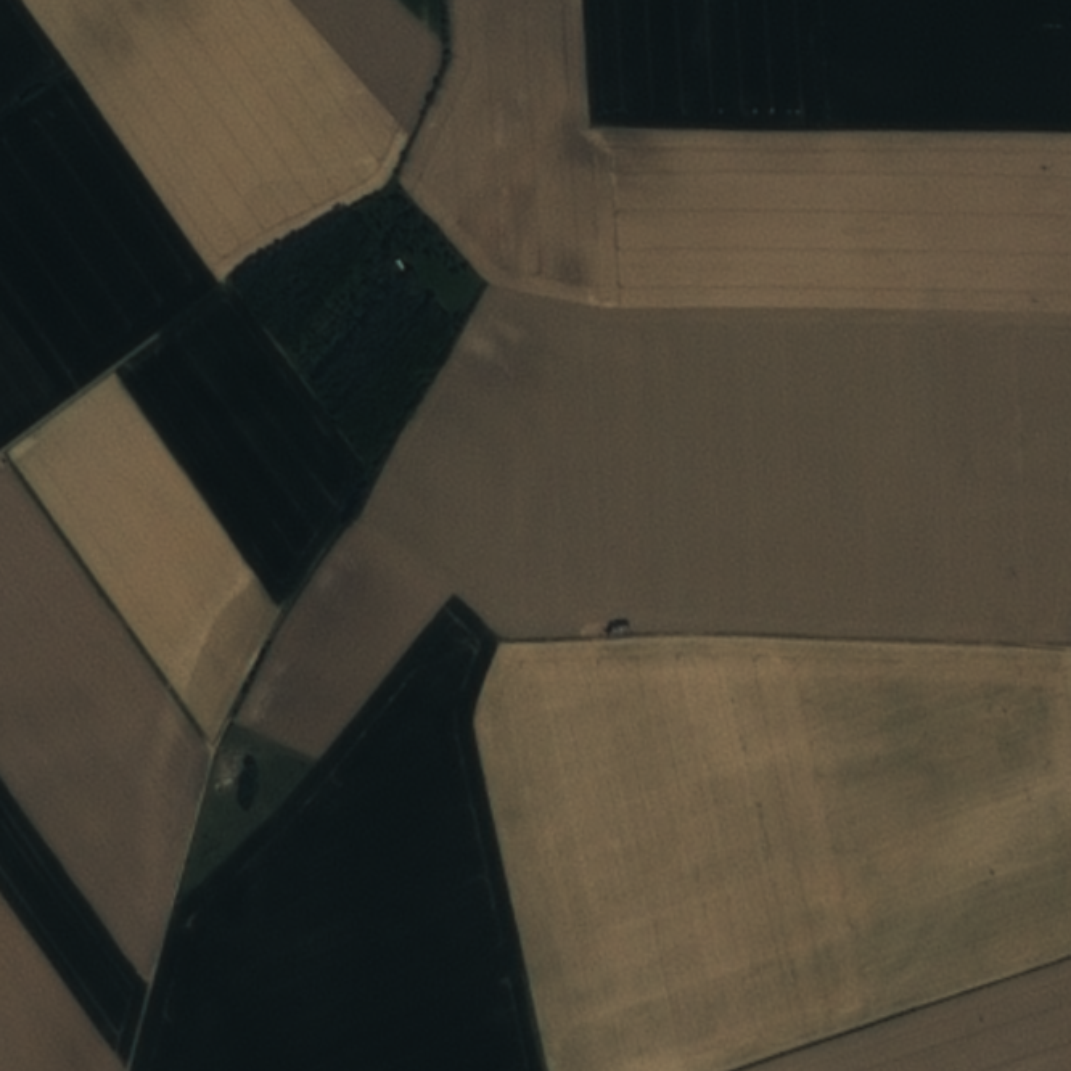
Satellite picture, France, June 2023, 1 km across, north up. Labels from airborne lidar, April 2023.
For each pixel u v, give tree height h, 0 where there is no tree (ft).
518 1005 0
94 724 0
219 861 0
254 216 0
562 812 0
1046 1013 0
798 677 0
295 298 63
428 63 0
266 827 0
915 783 0
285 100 0
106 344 0
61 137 0
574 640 0
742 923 0
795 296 0
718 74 0
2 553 0
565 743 0
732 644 0
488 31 0
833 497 0
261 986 0
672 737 0
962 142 0
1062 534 0
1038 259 0
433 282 0
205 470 0
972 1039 0
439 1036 0
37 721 0
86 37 0
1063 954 0
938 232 0
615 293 0
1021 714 0
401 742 0
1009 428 0
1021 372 0
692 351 0
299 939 0
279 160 0
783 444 0
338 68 0
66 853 0
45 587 0
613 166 0
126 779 0
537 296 0
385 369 60
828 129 0
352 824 0
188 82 0
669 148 0
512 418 0
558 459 0
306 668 0
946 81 0
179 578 0
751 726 0
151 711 0
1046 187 0
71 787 0
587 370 0
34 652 0
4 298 0
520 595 0
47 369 0
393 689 0
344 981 0
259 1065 0
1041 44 0
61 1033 0
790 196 0
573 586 0
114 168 0
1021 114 0
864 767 0
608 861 0
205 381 0
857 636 0
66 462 0
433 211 0
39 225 0
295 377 0
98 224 0
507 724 0
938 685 0
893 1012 0
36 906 0
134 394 0
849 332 0
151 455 0
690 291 0
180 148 0
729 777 0
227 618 0
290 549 0
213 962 0
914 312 0
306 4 0
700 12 0
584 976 0
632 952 0
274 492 0
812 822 0
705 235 0
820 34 0
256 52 0
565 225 0
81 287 0
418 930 0
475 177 0
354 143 0
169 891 0
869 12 0
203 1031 0
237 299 0
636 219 0
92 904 0
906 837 0
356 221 50
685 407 0
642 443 0
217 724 0
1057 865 0
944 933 0
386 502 0
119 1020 0
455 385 0
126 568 0
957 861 0
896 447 0
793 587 0
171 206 0
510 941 0
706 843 0
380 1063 0
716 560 0
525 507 0
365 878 0
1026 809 0
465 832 0
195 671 0
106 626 0
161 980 0
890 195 0
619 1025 0
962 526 0
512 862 0
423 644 0
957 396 0
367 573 0
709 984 0
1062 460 0
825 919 0
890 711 0
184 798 0
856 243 0
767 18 0
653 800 0
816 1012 0
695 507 0
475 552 0
